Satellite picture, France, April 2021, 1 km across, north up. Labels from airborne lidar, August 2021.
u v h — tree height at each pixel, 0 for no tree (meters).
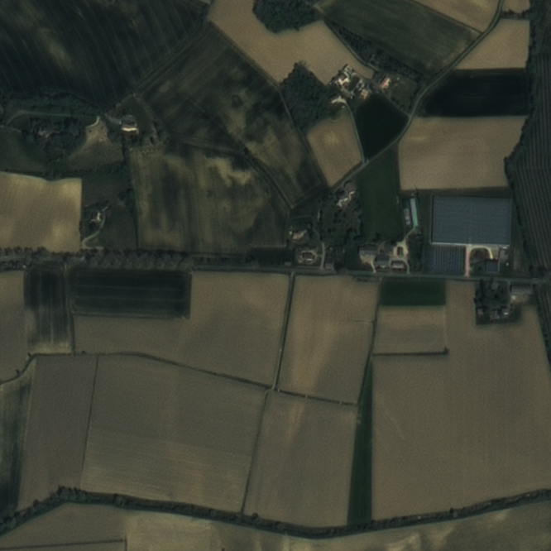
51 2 0
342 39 0
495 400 0
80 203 0
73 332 0
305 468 0
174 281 0
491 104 0
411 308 0
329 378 0
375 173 0
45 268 0
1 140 0
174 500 0
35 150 0
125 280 0
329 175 0
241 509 0
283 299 0
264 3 17
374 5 0
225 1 0
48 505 8
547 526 0
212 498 0
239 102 0
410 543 0
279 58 0
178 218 0
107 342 0
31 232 0
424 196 0
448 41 0
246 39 0
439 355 0
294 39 0
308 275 0
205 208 0
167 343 0
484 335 0
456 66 0
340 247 7
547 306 6
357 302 0
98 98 0
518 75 0
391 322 0
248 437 0
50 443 0
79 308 0
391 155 0
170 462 0
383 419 0
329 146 0
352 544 0
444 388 0
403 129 0
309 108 18
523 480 0
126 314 0
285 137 0
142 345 0
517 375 0
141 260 28
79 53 0
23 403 0
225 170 0
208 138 0
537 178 8
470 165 0
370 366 0
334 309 0
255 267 22
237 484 0
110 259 24
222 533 0
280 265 11
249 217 0
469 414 0
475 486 0
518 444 0
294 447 0
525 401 0
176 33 0
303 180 0
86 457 0
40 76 0
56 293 0
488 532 0
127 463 0
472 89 0
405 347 0
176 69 0
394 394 0
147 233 0
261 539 0
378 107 0
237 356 0
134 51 0
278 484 0
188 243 0
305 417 0
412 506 0
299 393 0
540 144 7
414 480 0
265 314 0
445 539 0
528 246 12
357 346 0
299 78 14
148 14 0
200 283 0
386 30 0
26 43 0
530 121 12
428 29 0
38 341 0
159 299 0
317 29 0
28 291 0
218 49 0
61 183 0
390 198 0
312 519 0
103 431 0
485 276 0
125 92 0
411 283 0
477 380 0
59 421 0
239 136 0
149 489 0
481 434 0
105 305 0
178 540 0
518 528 0
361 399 0
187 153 0
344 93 0
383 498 0
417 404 0
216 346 0
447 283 0
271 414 0
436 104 0
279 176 0
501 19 0
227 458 0
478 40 0
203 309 0
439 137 0
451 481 0
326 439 0
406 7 0
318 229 12
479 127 0
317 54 0
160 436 0
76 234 0
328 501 0
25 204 0
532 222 9
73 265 24
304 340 0
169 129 0
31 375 0
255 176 0
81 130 13
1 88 0
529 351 0
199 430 0
